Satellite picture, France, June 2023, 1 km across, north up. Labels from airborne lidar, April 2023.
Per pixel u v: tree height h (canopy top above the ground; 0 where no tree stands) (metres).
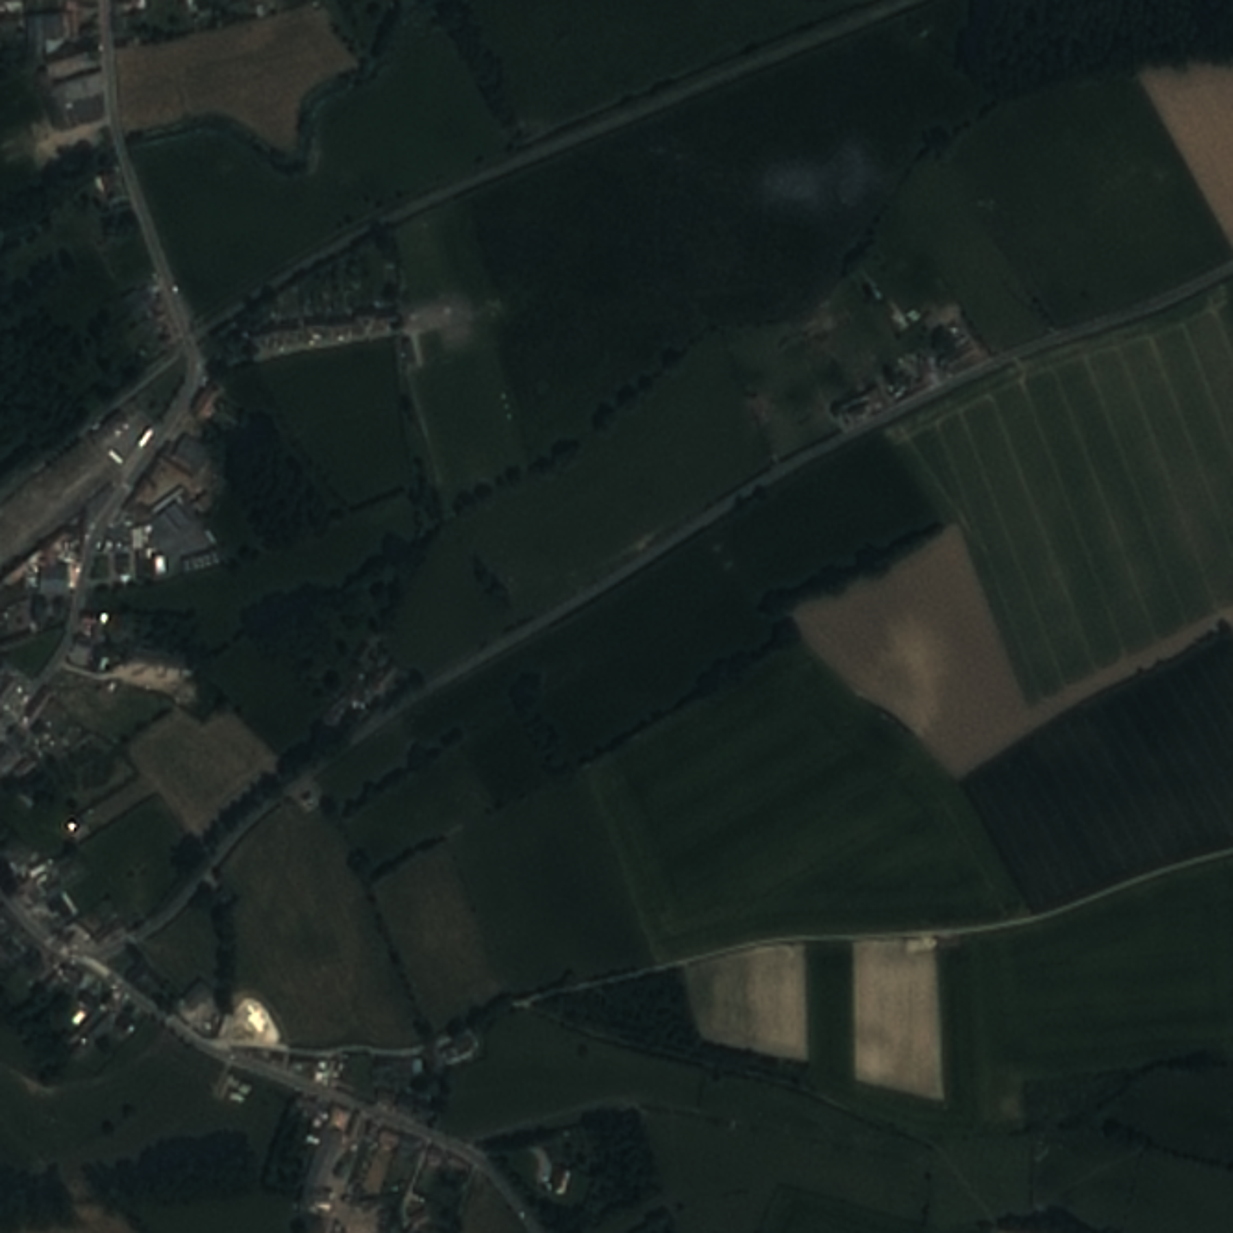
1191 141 0
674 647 0
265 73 0
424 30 0
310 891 0
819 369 0
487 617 0
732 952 0
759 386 0
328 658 11
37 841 0
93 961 0
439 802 0
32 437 14
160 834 0
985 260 0
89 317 0
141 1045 0
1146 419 0
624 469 0
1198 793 0
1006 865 0
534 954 0
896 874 0
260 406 0
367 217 0
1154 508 0
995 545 0
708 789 0
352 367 0
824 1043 0
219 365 17
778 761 0
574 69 0
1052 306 0
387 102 0
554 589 0
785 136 0
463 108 0
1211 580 0
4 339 25
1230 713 0
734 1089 0
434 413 0
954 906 0
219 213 0
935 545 0
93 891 0
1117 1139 14
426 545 10
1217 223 0
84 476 0
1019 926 0
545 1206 13
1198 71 0
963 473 0
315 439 0
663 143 0
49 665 0
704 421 0
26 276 0
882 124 0
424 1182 0
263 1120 0
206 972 0
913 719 0
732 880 0
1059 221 0
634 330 0
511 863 0
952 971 0
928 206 0
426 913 0
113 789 0
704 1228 0
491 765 0
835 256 0
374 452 0
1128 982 0
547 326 0
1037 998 0
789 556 0
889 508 0
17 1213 28
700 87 0
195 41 0
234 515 0
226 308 0
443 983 0
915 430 0
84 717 0
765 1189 0
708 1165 0
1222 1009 0
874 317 0
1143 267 0
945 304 0
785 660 0
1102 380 0
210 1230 0
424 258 0
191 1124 0
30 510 0
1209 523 0
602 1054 0
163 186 0
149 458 0
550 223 0
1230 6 30
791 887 0
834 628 0
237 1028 0
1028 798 0
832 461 0
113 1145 0
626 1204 10
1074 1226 17
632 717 0
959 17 0
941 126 0
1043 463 0
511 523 0
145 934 0
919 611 0
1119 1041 0
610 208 0
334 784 0
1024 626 0
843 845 0
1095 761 0
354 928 0
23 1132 0
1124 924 0
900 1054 0
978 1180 0
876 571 11
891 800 0
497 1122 0
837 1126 0
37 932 0
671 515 0
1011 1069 0
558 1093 0
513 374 0
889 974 0
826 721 0
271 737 0
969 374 0
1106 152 0
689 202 0
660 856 0
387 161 0
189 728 0
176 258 0
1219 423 0
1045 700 0
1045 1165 0
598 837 0
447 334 0
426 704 0
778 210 0
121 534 0
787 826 0
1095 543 0
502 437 0
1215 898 0
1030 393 0
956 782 0
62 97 0
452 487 0
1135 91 0
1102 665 0
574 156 0
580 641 0
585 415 0
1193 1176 0
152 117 0
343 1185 0
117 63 0
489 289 0
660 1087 0
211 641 0
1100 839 0
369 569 11
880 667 0
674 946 0
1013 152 0
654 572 0
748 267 0
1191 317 0
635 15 0
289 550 0
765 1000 0
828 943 0
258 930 0
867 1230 0
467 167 0
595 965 0
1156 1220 0
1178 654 0
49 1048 13
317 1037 0
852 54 0
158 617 10
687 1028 8
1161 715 0
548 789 0
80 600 0
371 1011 0
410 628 0
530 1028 0
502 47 0
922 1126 0
